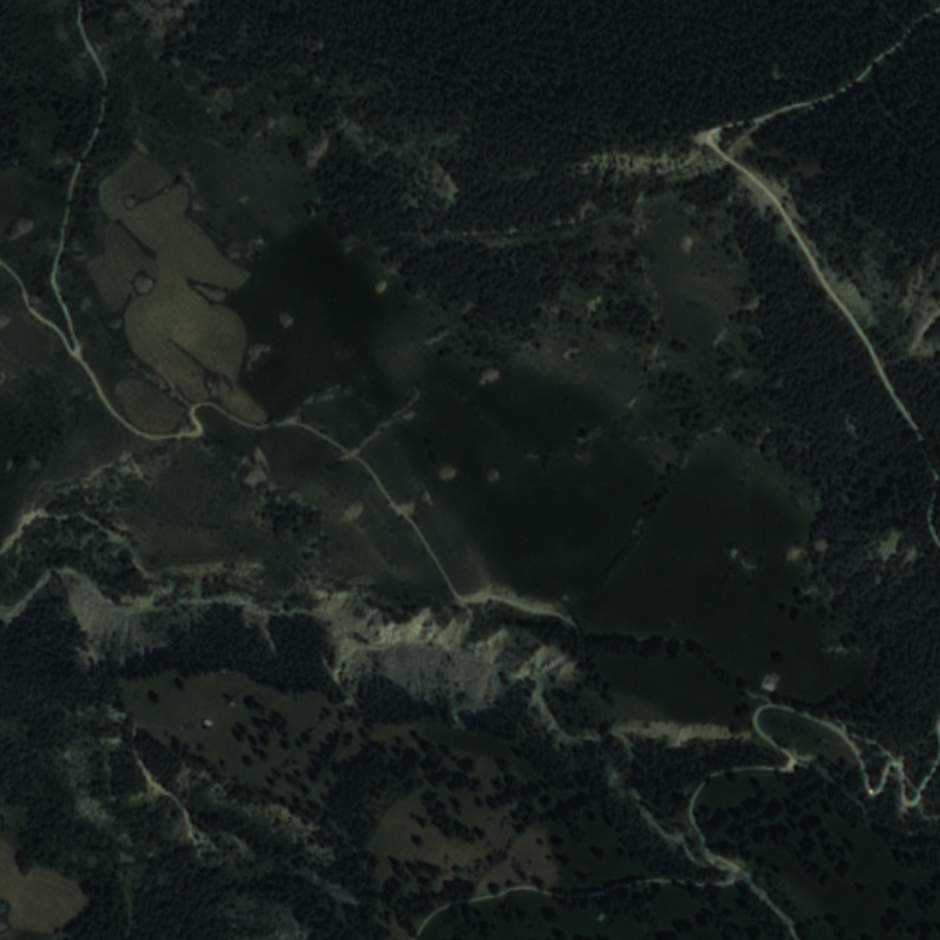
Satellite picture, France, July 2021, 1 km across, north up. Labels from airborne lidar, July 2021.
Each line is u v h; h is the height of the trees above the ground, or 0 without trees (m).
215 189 0
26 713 9
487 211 11
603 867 0
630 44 20
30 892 0
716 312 0
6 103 15
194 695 0
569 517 0
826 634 0
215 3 14
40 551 10
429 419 0
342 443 0
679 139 8
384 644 0
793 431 11
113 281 0
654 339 8
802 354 15
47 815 13
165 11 0
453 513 0
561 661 0
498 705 8
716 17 14
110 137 11
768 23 14
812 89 16
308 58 15
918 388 16
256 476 0
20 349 0
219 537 0
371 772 21
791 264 15
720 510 0
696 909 0
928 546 8
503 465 0
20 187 0
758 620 0
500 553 0
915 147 22
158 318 0
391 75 8
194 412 0
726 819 23
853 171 21
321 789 0
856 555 6
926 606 10
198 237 0
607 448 0
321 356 0
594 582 0
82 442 0
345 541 0
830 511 17
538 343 6
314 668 8
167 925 13
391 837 0
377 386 0
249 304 0
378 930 11
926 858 21
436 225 6
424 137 7
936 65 17
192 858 6
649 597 0
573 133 19
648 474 0
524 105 17
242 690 0
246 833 12
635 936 0
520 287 16
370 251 0
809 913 0
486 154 12
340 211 13
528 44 17
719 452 0
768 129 14
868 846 0
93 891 20
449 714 23
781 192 0
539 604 0
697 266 0
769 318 11
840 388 14
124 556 7
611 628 0
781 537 0
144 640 0
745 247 10
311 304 0
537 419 0
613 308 12
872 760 6
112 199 0
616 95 19
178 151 0
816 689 0
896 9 15
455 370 0
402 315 0
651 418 0
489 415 0
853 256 8
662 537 0
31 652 9
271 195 0
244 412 0
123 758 8
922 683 14
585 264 8
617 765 6
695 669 0
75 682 11
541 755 18
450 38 18
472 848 0
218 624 9
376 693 10
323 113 13
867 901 0
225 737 0
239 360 0
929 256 12
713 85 22
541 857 0
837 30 9
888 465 19
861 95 18
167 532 0
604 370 0
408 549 0
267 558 0
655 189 10
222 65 12
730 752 15
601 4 17
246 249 0
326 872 8
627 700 0
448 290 9
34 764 11
